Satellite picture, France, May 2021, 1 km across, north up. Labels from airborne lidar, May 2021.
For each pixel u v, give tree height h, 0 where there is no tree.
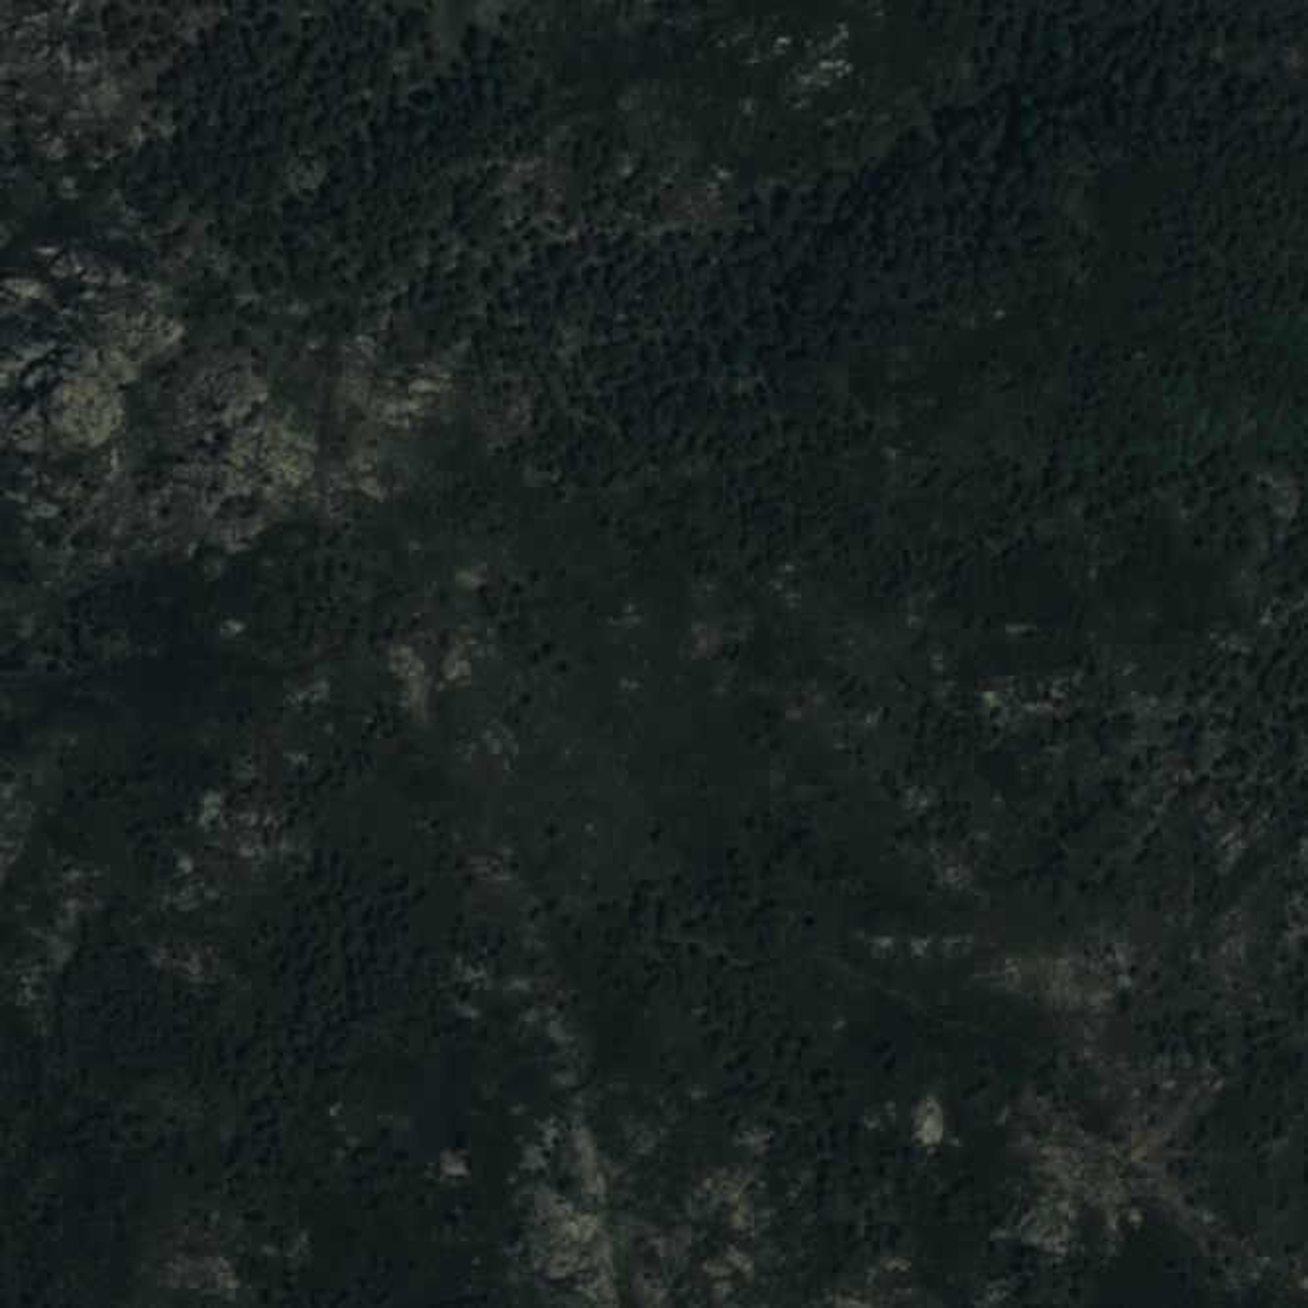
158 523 0
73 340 7
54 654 13
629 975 6
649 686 0
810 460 19
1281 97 15
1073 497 18
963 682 8
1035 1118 0
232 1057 20
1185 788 6
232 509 15
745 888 21
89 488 15
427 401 0
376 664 0
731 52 8
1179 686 15
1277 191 23
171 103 23
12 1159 25
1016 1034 6
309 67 27
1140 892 11
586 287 25
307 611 19
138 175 13
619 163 19
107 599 19
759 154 6
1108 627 7
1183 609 7
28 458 12
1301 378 21
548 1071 0
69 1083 6
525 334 23
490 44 33
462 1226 23
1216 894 10
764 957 25
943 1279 7
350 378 0
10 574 6
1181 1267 17
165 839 11
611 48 5
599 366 26
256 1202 30
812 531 17
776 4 6
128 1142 18
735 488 13
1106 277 7
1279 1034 21
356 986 24
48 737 0
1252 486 21
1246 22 15
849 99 7
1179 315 20
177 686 6
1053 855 8
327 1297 19
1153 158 26
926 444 6
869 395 9
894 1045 16
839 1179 23
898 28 6
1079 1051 0
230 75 20
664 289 30
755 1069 26
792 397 30
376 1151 18
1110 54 23
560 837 22
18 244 6
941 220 32
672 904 20
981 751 6
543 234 22
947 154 6
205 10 19
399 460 0
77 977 19
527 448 15
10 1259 26
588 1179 0
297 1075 26
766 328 25
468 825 0
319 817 21
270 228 29
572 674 23
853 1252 14
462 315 17
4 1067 16
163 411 0
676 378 29
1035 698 7
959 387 8
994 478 14
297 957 14
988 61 30
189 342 14
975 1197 24
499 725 0
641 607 0
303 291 22
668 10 28
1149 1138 0
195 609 6
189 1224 15
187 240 13
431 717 0
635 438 24
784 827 6
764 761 0
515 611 23
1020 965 0
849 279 23
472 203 30
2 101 16
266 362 7
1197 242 25
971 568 18
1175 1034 22
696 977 25
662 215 23
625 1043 6
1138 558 10
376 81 19
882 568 10
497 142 12
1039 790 8
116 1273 6
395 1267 20
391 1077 7
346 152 25
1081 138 32
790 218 28
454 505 7
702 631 0
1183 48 27
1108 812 16
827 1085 25
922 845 14
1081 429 21
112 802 14
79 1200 6
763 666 5
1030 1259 17
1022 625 14
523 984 0
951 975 0
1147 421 17
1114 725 22
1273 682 22
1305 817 17
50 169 21
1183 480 15
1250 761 27
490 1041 18
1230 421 18
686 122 6
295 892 17
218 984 11
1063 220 29
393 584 6
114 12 20
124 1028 18
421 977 22
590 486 16
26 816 0
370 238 24
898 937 0
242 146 24
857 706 13
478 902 0
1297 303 25
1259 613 6
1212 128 21
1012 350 8
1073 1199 0
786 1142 16
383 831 0
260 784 14
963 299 27
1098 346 8
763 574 12
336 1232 5
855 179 11
